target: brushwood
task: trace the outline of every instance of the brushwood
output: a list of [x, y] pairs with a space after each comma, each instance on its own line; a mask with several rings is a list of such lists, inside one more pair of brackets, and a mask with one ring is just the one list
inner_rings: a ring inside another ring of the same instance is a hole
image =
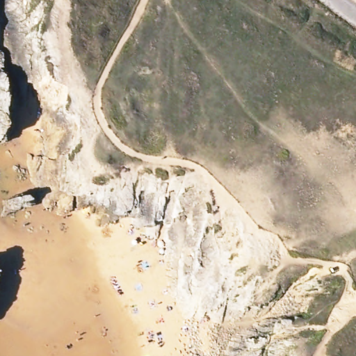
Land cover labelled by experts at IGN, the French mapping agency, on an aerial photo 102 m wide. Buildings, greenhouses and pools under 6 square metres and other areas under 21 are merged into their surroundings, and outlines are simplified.
[[331, 24], [331, 32], [325, 31], [320, 22], [311, 25], [311, 35], [314, 38], [330, 39], [331, 44], [335, 44], [338, 50], [343, 56], [356, 60], [356, 38], [334, 22]]
[[295, 10], [280, 6], [280, 11], [299, 24], [305, 24], [310, 18], [310, 8], [302, 0], [292, 0], [296, 6]]

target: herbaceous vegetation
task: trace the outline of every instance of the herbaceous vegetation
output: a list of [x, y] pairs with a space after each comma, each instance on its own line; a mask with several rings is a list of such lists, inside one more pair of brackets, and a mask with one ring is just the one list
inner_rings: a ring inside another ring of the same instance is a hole
[[[305, 24], [299, 24], [280, 11], [280, 6], [295, 10], [296, 6], [292, 0], [171, 0], [172, 7], [177, 8], [191, 29], [184, 33], [179, 28], [175, 15], [168, 13], [164, 0], [149, 0], [145, 14], [122, 47], [120, 56], [115, 60], [104, 82], [102, 111], [108, 128], [113, 129], [121, 143], [131, 147], [135, 152], [160, 156], [161, 159], [181, 157], [185, 160], [186, 157], [195, 154], [195, 147], [199, 143], [217, 149], [232, 147], [238, 140], [252, 140], [254, 145], [261, 145], [266, 142], [270, 133], [260, 131], [260, 122], [270, 118], [275, 107], [284, 107], [286, 118], [299, 121], [307, 133], [318, 131], [320, 127], [325, 127], [327, 132], [338, 131], [341, 127], [337, 124], [338, 118], [346, 125], [356, 128], [356, 78], [350, 75], [349, 70], [334, 63], [335, 51], [338, 50], [335, 44], [331, 44], [330, 39], [314, 38], [311, 35], [311, 25], [320, 22], [325, 31], [331, 32], [331, 24], [334, 22], [356, 38], [356, 26], [335, 13], [321, 0], [302, 0], [310, 8], [310, 18]], [[206, 63], [204, 57], [209, 54], [220, 63], [225, 76], [234, 83], [235, 88], [245, 99], [243, 102], [236, 102], [227, 86]]]

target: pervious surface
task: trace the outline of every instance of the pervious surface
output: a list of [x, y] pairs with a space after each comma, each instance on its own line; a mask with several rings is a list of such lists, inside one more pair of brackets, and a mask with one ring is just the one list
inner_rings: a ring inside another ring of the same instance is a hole
[[295, 295], [305, 295], [306, 289], [316, 285], [321, 278], [327, 277], [334, 267], [338, 267], [339, 274], [345, 278], [345, 291], [328, 317], [327, 334], [317, 346], [314, 356], [328, 356], [327, 346], [335, 332], [356, 317], [356, 250], [334, 256], [331, 261], [321, 260], [323, 268], [311, 268], [309, 273], [293, 282], [289, 288]]
[[206, 63], [227, 86], [236, 102], [243, 102], [245, 99], [235, 88], [234, 83], [225, 76], [220, 63], [209, 54], [204, 57]]
[[356, 60], [343, 56], [338, 50], [335, 51], [334, 63], [349, 70], [350, 75], [356, 78]]
[[177, 8], [172, 7], [171, 0], [164, 0], [168, 13], [175, 15], [179, 28], [184, 33], [191, 29]]
[[70, 76], [76, 86], [83, 86], [89, 90], [90, 96], [95, 96], [96, 113], [103, 131], [121, 152], [149, 161], [152, 164], [150, 168], [181, 165], [195, 170], [197, 164], [185, 160], [181, 157], [161, 159], [160, 156], [135, 152], [131, 147], [121, 143], [113, 129], [108, 128], [102, 111], [104, 82], [115, 60], [120, 56], [122, 47], [145, 14], [149, 0], [140, 0], [127, 31], [121, 36], [96, 86], [86, 79], [81, 64], [72, 50], [71, 31], [68, 28], [70, 0], [54, 0], [49, 29], [56, 33], [60, 63], [53, 65], [54, 75], [51, 75], [51, 78], [64, 83], [67, 76]]

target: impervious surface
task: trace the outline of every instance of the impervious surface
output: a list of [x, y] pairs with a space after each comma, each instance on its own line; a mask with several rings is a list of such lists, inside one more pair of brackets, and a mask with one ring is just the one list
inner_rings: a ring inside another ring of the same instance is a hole
[[321, 0], [335, 13], [356, 26], [356, 0]]

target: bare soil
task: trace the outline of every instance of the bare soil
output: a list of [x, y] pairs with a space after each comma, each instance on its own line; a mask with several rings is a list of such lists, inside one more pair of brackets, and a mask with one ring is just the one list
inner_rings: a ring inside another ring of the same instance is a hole
[[356, 317], [335, 332], [327, 346], [328, 356], [356, 356]]
[[96, 86], [121, 36], [127, 31], [140, 0], [70, 0], [68, 28], [71, 31], [72, 50], [81, 64], [86, 79]]
[[321, 260], [331, 261], [334, 256], [356, 250], [356, 128], [346, 125], [338, 118], [337, 124], [341, 127], [338, 131], [327, 132], [325, 127], [320, 127], [318, 131], [307, 133], [299, 121], [286, 118], [284, 107], [275, 107], [270, 118], [260, 122], [260, 131], [270, 133], [266, 142], [261, 145], [254, 145], [252, 140], [238, 140], [232, 147], [217, 149], [199, 143], [195, 147], [195, 154], [186, 157], [185, 160], [197, 164], [195, 170], [181, 165], [150, 168], [152, 164], [149, 161], [121, 152], [103, 131], [96, 113], [95, 96], [90, 96], [89, 90], [83, 86], [76, 86], [70, 76], [67, 76], [64, 83], [51, 78], [51, 75], [54, 75], [53, 65], [60, 63], [56, 33], [49, 29], [54, 0], [0, 0], [0, 356], [314, 356], [317, 346], [327, 334], [328, 317], [345, 291], [345, 278], [339, 274], [338, 267], [334, 267], [327, 277], [321, 278], [316, 285], [306, 289], [305, 295], [295, 295], [289, 288], [293, 282], [309, 273], [311, 268], [323, 268]]

